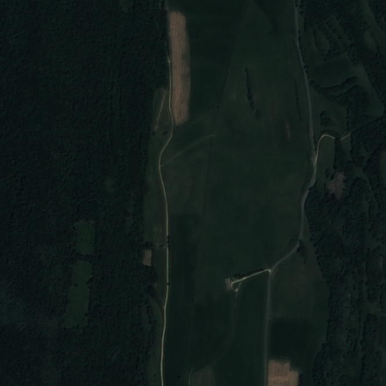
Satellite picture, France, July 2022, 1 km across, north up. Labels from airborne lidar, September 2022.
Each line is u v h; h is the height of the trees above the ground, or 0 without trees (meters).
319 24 15
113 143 21
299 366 0
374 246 0
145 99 23
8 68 20
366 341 14
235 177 0
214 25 0
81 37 15
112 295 13
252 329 0
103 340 8
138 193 10
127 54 16
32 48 17
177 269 0
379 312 0
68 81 14
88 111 16
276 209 0
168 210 0
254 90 0
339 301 8
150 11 15
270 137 0
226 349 0
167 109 0
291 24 0
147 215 0
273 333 0
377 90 13
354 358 11
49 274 9
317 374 16
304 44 11
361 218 9
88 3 16
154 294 18
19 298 13
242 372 0
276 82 0
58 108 18
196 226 0
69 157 14
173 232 0
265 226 0
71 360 11
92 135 11
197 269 0
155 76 13
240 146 0
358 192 16
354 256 10
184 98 0
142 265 10
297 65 0
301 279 0
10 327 12
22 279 16
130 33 16
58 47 19
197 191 0
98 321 11
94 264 13
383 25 11
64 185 18
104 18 15
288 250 0
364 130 12
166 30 16
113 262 17
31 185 21
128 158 8
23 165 17
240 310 0
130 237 16
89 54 20
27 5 18
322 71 0
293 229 0
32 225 19
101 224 15
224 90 0
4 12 18
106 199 7
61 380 9
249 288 0
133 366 12
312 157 0
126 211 20
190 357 0
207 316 0
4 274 11
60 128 14
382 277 7
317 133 0
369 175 18
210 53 0
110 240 14
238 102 0
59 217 10
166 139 0
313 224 13
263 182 0
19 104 16
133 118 18
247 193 0
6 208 11
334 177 10
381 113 0
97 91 19
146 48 15
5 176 19
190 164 0
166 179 0
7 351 13
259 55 0
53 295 11
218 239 0
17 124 15
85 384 15
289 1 0
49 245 16
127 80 14
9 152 17
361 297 10
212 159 0
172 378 0
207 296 0
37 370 7
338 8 11
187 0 0
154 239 0
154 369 0
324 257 14
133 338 19
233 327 0
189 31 0
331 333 13
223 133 0
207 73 0
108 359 17
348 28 18
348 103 11
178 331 0
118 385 14
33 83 19
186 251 0
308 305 0
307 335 0
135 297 16
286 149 0
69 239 14
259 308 0
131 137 13
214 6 0
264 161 0
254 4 0
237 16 0
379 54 8
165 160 0
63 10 20
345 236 7
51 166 14
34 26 17
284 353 0
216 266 0
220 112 0
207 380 0
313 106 0
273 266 0
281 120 0
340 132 0
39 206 16
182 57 0
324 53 6
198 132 0
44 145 15
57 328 6
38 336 9
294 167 0
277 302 0
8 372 11
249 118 0
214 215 0
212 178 0
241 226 0
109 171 7
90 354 17
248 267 0
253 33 0
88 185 22
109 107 17
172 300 0
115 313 13
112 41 18
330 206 15
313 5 15
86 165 15
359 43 15
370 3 10
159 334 0
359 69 0
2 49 15
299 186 0
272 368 0
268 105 0
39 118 17
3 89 16
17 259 14
